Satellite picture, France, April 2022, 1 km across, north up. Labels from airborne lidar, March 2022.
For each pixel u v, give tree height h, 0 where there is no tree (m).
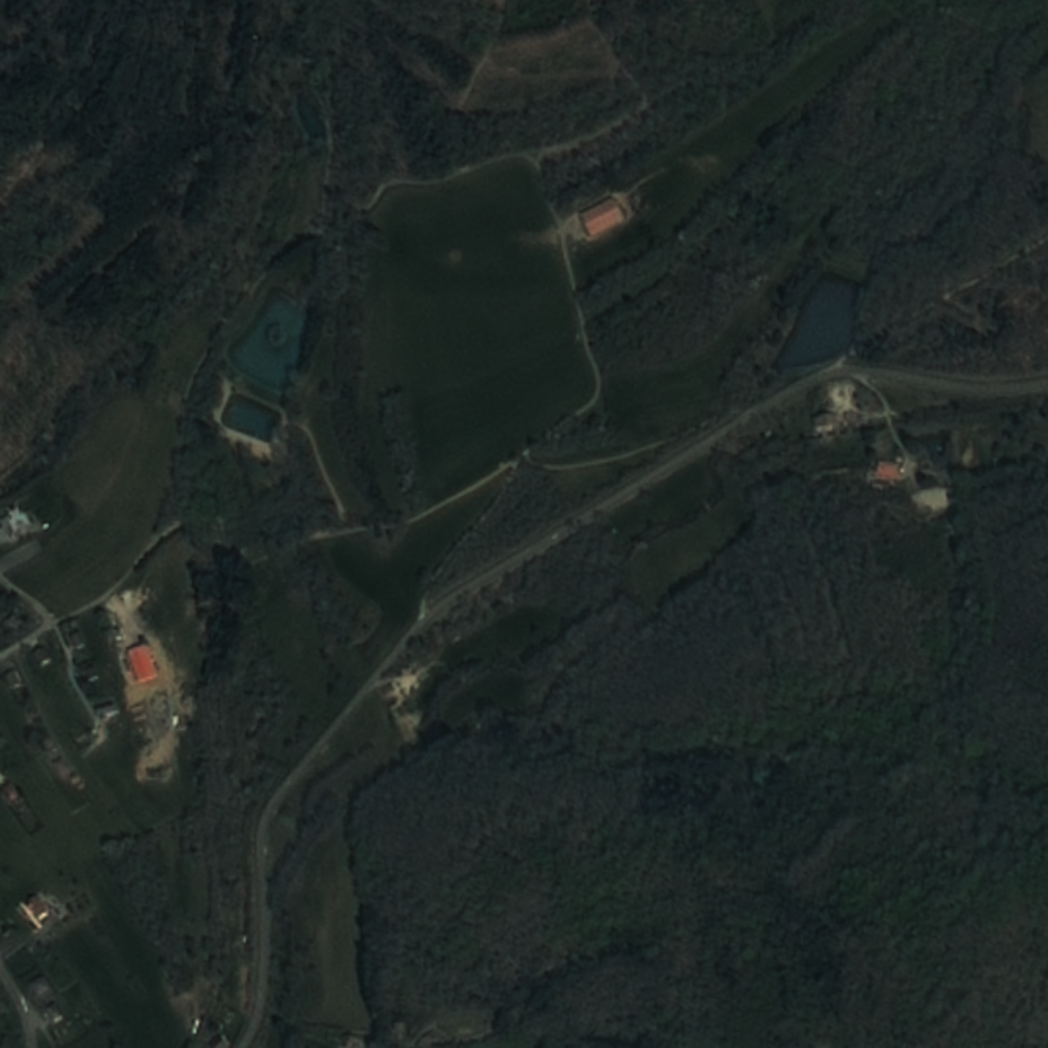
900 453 8
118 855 13
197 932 0
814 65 0
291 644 0
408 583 0
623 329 8
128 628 0
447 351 0
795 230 14
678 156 0
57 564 0
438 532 0
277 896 21
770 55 16
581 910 12
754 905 15
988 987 18
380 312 0
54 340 19
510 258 0
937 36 26
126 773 0
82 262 24
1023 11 21
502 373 0
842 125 21
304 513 19
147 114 23
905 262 22
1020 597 18
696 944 17
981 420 0
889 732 12
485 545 15
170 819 0
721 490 7
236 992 0
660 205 0
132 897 10
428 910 17
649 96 17
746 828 9
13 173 14
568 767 18
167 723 0
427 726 10
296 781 0
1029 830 20
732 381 12
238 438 0
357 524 16
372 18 17
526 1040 9
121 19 24
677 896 10
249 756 0
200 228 22
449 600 0
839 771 11
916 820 15
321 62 19
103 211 27
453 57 15
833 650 17
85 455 0
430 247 0
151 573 0
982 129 19
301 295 17
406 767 15
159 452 0
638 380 0
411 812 17
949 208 18
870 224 7
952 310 18
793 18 0
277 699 16
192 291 25
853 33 0
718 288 18
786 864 10
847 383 0
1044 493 17
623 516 0
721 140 0
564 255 0
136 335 17
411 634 0
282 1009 16
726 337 0
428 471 0
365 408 0
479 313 0
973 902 18
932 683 10
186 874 0
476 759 23
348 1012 0
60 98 17
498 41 15
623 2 16
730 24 15
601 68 0
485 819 15
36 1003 0
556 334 0
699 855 11
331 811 18
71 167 10
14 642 17
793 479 20
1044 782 13
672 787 21
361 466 7
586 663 16
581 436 8
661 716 18
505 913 12
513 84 0
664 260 14
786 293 16
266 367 0
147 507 0
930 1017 8
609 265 0
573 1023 20
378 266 0
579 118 19
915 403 0
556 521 10
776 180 24
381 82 24
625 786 20
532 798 18
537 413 0
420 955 11
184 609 0
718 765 33
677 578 0
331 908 0
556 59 0
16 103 19
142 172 29
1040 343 17
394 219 0
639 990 15
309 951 10
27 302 11
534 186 0
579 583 16
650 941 14
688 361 0
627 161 16
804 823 11
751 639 17
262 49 14
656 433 0
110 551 0
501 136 17
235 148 21
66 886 0
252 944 11
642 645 18
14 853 0
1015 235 19
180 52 22
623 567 16
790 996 19
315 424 0
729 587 8
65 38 19
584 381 0
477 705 0
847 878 12
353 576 0
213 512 20
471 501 0
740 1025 8
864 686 8
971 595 19
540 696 0
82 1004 0
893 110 21
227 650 13
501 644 0
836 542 10
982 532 15
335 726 0
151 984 0
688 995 22
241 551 0
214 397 7
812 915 12
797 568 18
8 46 11
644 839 11
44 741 15
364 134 21
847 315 0
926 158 9
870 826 10
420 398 0
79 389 15
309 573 16
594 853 11
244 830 6
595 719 21
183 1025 0
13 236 19
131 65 23
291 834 0
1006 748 22
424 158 21
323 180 0
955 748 10
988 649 18
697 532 0
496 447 0
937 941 19
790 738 10
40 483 0
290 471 17
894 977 15
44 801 0
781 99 0
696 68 17
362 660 0
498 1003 17
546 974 10
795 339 0
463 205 0
